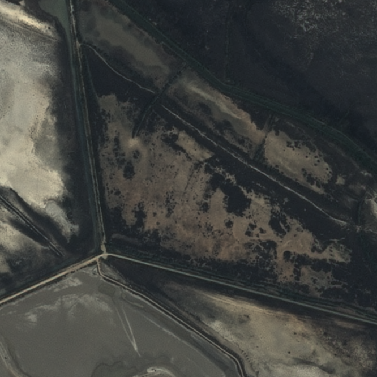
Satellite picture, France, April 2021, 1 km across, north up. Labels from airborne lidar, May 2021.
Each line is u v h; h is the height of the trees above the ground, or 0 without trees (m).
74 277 0
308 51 0
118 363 0
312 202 0
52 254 0
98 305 0
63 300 0
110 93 0
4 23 0
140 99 0
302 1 0
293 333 0
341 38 0
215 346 0
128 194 0
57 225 0
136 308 0
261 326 0
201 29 0
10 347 0
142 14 6
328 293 0
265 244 0
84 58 6
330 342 0
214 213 0
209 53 0
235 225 0
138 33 0
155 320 0
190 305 0
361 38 0
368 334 0
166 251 0
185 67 5
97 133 0
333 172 0
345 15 0
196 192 0
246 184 0
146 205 0
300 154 0
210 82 0
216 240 0
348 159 0
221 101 0
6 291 0
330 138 0
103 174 0
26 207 0
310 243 0
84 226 0
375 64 0
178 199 0
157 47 0
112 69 0
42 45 0
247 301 0
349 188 0
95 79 0
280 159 0
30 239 0
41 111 0
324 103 0
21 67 0
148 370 0
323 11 0
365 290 0
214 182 0
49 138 0
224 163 0
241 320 0
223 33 0
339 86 0
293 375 0
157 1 0
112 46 0
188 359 0
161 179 0
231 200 0
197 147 0
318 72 0
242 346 0
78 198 0
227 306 0
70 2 0
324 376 0
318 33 0
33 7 0
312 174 0
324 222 0
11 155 0
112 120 0
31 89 0
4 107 0
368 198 0
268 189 0
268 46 0
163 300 0
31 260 0
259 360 0
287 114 0
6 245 0
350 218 0
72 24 0
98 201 0
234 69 0
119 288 0
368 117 0
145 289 0
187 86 0
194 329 0
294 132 0
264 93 0
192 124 0
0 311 0
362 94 0
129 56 0
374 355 0
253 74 0
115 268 0
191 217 0
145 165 0
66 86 0
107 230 0
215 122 0
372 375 0
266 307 0
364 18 0
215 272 0
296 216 0
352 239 0
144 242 0
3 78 0
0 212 0
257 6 0
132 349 0
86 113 0
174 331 0
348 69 0
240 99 0
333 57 0
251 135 0
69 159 0
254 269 0
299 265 0
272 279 0
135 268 0
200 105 0
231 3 0
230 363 0
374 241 0
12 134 0
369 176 0
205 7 0
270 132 0
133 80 0
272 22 0
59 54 0
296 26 0
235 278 0
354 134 0
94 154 0
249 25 0
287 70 0
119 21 0
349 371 0
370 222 0
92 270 0
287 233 0
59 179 0
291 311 0
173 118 0
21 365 0
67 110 0
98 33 0
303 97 0
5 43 0
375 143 0
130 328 0
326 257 0
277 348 0
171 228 0
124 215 0
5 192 0
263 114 0
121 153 0
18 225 0
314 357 0
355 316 0
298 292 0
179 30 0
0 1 0
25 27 0
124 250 7
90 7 0
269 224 0
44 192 0
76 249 0
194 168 0
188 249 0
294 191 0
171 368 0
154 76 0
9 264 0
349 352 0
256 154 7
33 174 0
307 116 6
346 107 0
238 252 0
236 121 0
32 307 0
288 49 0
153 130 0
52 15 0
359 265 0
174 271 0
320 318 0
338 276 0
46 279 0
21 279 0
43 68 0
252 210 0
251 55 0
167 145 0
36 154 0
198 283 0
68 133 0
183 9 0
